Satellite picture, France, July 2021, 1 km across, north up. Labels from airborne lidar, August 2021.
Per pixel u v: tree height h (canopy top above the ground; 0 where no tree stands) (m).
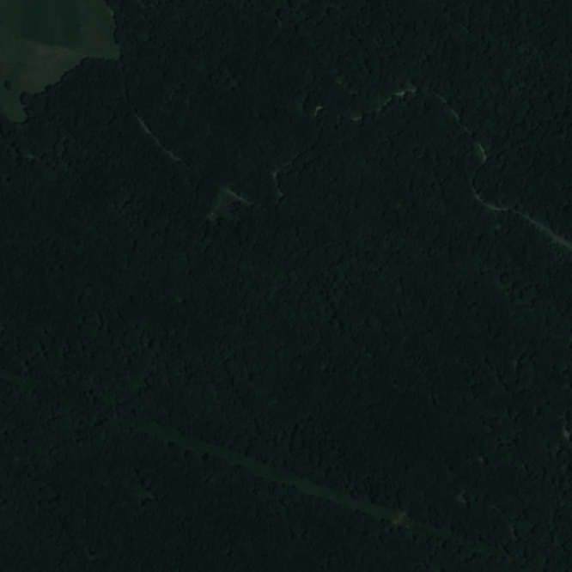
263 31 29
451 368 27
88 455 28
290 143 28
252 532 28
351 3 27
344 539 26
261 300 23
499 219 21
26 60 0
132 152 21
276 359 29
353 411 27
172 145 19
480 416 28
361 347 27
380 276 25
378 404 29
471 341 31
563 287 28
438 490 27
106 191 33
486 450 33
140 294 30
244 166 24
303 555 27
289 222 21
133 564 19
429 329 20
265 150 23
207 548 28
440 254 26
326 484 19
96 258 26
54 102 26
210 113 25
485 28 22
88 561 20
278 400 29
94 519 27
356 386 27
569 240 14
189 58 30
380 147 21
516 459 29
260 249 27
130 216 25
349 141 25
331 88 25
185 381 21
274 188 23
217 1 26
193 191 26
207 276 25
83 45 0
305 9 26
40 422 27
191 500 25
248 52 27
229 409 18
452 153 24
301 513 29
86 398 27
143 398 29
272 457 25
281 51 26
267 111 28
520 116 30
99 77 17
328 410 27
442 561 33
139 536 31
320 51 26
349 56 23
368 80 23
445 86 19
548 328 27
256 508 28
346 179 23
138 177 24
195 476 25
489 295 31
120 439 27
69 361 28
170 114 20
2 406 29
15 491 19
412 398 27
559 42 26
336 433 29
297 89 28
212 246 22
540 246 15
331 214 19
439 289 33
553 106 26
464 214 21
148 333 32
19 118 0
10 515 17
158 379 32
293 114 26
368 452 27
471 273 26
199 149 21
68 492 30
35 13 0
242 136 27
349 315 26
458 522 31
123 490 26
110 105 18
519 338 34
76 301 29
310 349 31
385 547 28
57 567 13
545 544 24
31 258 30
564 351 30
